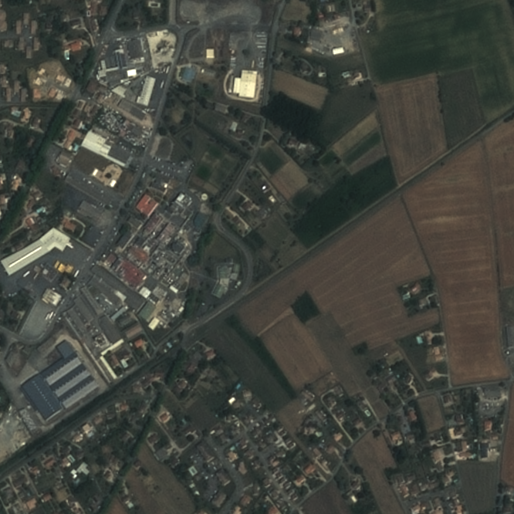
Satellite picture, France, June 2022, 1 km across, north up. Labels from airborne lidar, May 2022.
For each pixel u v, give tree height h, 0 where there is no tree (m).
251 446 0
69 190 0
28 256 0
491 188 0
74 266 0
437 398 0
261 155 0
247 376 0
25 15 0
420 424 10
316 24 11
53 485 0
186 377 8
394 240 0
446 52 0
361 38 0
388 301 0
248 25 0
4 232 21
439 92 7
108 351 7
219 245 0
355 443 0
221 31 0
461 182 0
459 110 0
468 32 0
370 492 7
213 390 0
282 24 0
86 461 8
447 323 0
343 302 0
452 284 0
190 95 9
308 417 6
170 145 0
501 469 0
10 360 0
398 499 0
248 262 0
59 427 10
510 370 0
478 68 0
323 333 0
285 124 14
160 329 0
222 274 0
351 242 0
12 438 0
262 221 0
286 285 0
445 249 0
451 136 0
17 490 0
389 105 0
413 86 0
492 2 0
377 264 0
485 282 0
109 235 0
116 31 0
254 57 0
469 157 0
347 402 12
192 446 0
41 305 0
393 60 0
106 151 0
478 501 0
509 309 0
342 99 0
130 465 18
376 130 0
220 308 0
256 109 0
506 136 0
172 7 0
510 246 0
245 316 0
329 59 0
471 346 0
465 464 0
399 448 14
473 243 0
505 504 16
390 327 0
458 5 0
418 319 0
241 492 0
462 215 0
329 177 0
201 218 0
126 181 0
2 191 6
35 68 0
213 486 0
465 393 9
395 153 0
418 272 0
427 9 0
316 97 0
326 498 0
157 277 0
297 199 0
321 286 0
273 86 0
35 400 0
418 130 0
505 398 0
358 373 0
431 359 0
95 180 0
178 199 0
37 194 0
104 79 0
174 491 0
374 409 0
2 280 0
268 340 0
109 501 18
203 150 0
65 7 0
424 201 0
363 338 0
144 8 6
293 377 0
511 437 0
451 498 7
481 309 0
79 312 0
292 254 0
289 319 0
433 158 0
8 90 0
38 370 0
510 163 0
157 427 0
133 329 0
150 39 0
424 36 0
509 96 0
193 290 14
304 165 6
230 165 0
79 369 0
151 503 0
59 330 0
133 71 0
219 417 9
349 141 0
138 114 0
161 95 0
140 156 0
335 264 0
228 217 6
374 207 0
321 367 0
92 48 6
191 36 0
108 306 0
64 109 19
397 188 0
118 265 0
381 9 0
